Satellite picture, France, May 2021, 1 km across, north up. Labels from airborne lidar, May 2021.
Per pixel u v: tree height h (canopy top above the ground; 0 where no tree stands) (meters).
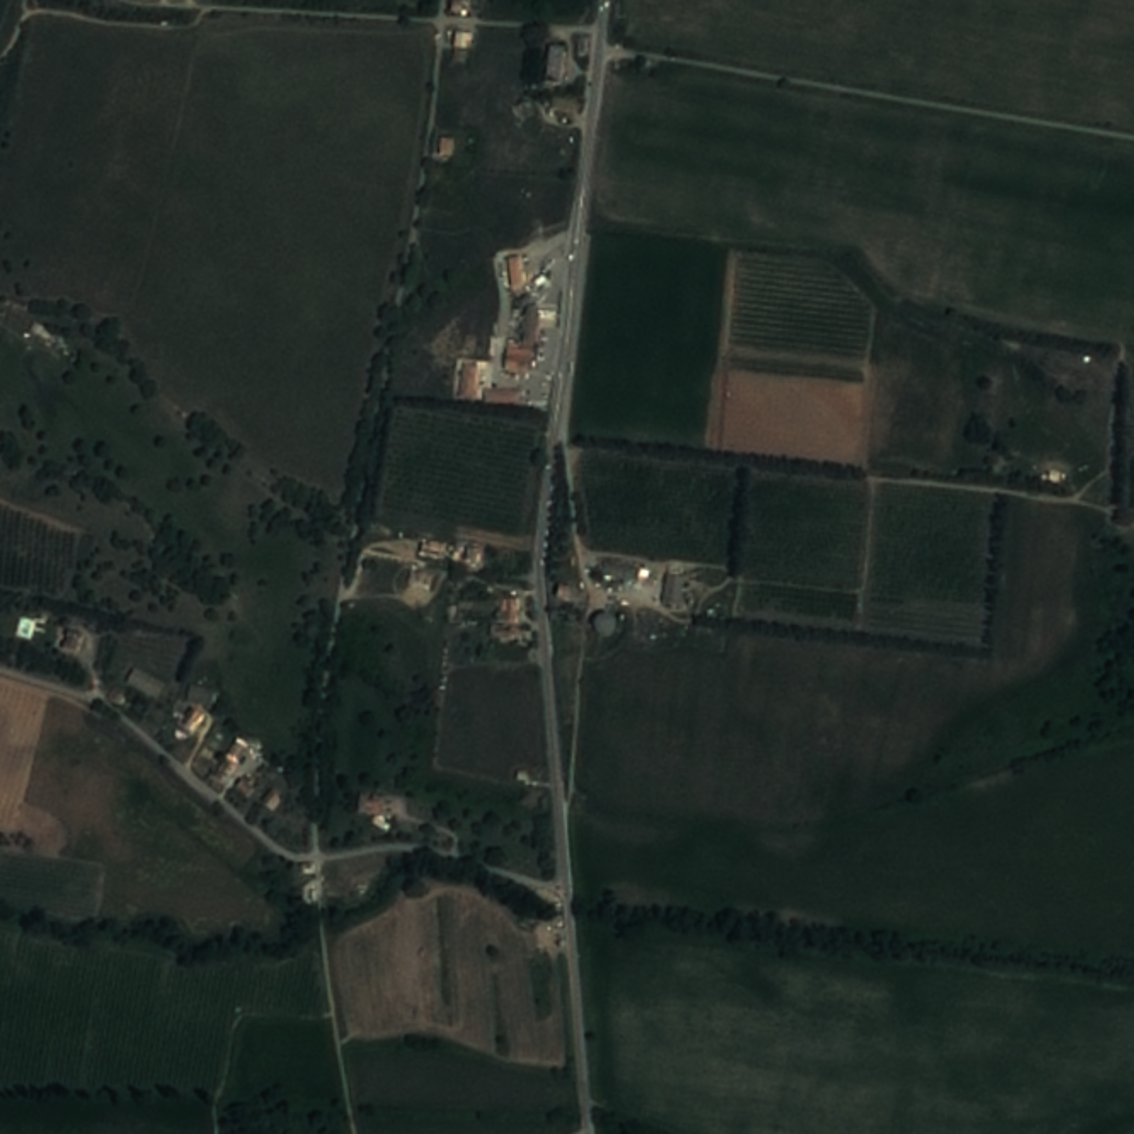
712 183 0
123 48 0
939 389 0
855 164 0
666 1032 0
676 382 0
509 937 0
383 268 0
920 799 16
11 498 0
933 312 0
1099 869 0
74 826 0
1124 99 0
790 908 0
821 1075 0
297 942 17
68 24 0
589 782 0
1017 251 0
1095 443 0
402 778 6
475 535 0
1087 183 0
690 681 0
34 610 6
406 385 0
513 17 0
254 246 0
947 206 0
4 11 0
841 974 0
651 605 0
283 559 0
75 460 11
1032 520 0
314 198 0
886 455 0
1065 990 0
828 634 14
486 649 14
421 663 0
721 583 0
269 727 0
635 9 0
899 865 0
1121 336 0
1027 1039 0
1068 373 0
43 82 0
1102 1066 0
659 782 0
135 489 0
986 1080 0
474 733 0
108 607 8
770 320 0
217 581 11
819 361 0
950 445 0
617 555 0
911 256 0
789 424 0
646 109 0
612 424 0
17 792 0
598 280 0
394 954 0
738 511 14
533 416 16
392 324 8
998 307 0
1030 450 0
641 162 0
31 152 0
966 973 0
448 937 0
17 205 0
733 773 0
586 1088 0
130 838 0
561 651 0
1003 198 0
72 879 0
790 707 0
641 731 0
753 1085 0
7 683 0
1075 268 0
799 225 0
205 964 16
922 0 0
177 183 0
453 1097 0
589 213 0
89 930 15
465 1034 0
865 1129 0
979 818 0
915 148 0
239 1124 17
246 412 0
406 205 0
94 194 0
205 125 0
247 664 0
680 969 0
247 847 0
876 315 0
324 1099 0
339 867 0
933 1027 0
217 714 7
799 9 0
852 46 0
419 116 0
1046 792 0
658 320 0
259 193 0
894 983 0
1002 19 0
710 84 0
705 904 0
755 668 0
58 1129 0
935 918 0
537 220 0
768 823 0
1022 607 0
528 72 10
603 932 0
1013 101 0
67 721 0
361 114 0
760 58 0
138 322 0
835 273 0
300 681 0
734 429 0
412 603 0
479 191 0
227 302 0
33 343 0
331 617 14
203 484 9
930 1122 0
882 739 0
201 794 0
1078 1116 0
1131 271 0
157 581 9
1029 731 0
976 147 0
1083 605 0
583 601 0
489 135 0
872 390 0
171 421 0
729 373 0
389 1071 0
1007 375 0
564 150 0
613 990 0
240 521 0
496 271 0
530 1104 0
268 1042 0
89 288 0
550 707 0
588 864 0
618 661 0
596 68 0
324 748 12
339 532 11
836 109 0
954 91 0
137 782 0
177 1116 0
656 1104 0
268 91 0
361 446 8
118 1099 29
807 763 0
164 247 0
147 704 11
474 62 0
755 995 0
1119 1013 0
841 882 0
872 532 0
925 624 0
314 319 0
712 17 0
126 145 0
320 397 0
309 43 0
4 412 0
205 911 0
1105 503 0
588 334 0
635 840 0
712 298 0
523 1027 0
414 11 7
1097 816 0
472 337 0
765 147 0
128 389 0
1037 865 0
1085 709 0
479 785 0
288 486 9
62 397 0
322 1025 0
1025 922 0
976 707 0
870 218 0
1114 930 0
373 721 10
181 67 0
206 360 0
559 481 9
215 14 6
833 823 0
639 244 0
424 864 16
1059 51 0
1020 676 0
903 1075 0
